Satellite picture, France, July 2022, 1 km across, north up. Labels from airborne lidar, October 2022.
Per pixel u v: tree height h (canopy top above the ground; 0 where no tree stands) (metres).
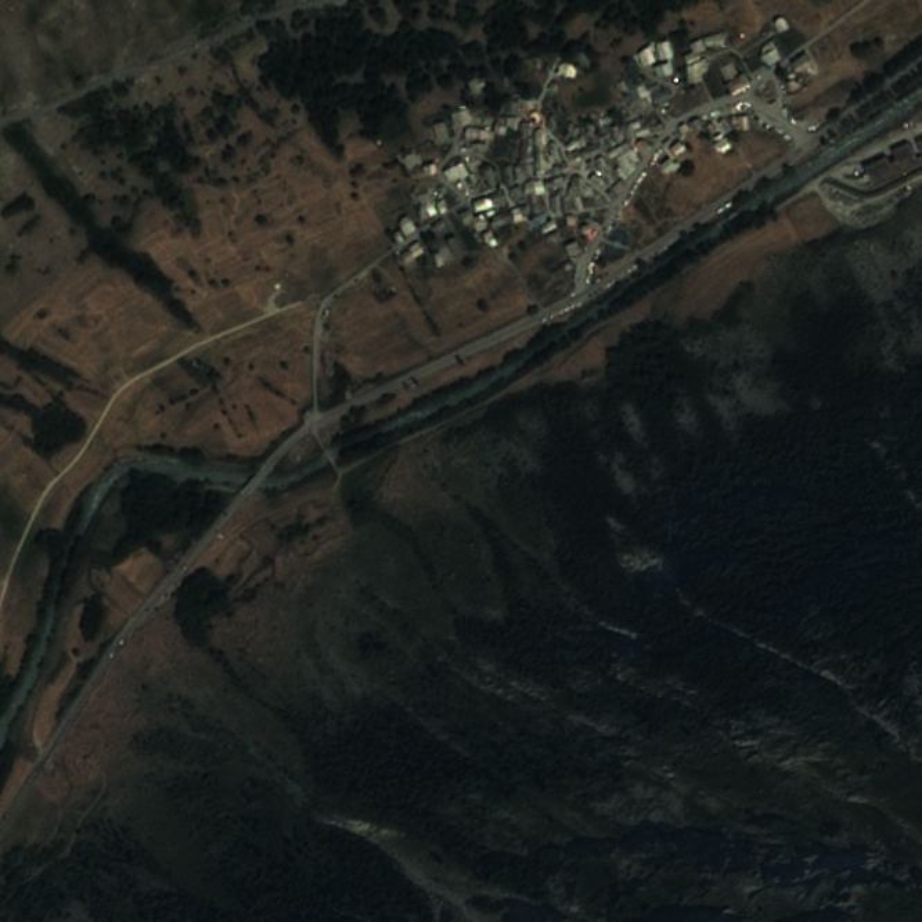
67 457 0
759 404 0
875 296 0
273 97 0
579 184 0
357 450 14
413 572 0
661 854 0
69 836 0
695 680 6
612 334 0
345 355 0
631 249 0
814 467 8
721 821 0
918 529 7
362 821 0
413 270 0
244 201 0
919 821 0
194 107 0
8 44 0
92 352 0
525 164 0
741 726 0
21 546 0
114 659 0
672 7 14
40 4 0
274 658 0
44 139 0
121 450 0
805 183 0
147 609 0
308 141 0
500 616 0
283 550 0
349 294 0
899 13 0
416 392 0
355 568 0
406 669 0
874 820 0
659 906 0
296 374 0
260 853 8
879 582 11
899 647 6
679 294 0
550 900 0
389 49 13
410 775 9
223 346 0
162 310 0
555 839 0
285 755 0
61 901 7
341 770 6
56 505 0
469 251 0
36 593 0
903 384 6
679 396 6
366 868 6
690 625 7
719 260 0
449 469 0
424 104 0
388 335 0
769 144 0
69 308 0
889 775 0
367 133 11
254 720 0
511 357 12
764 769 0
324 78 12
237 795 0
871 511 7
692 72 0
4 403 6
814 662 6
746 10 0
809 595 13
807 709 0
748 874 0
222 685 0
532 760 14
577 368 0
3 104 0
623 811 0
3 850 0
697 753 0
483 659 0
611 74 0
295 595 0
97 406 0
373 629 0
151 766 0
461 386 11
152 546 8
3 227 0
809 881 0
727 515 9
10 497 0
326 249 0
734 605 6
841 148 0
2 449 0
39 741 0
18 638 0
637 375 11
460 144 0
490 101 13
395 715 6
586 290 0
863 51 12
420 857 0
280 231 0
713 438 6
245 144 12
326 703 0
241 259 0
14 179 0
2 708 8
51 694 0
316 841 6
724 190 0
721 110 0
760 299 0
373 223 0
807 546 6
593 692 0
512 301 0
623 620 5
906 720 8
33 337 0
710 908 0
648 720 9
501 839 0
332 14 11
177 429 0
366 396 0
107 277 0
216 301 0
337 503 0
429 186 0
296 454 0
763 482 6
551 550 0
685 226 0
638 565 0
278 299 0
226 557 0
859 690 6
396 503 0
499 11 9
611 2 10
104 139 10
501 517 0
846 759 0
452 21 9
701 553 8
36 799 0
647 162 0
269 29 12
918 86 7
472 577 0
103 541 0
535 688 0
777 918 0
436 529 0
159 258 0
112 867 6
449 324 0
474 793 0
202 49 0
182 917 10
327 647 0
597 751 9
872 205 0
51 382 0
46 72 0
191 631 12
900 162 0
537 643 6
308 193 0
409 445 0
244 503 0
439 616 0
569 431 6
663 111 0
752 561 7
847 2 0
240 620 0
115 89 8
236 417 0
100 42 0
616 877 0
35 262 0
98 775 0
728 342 0
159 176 8
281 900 7
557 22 13
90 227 6
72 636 0
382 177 0
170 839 0
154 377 0
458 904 0
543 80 0
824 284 0
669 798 0
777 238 0
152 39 0
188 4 0
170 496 8
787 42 0
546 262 0
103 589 0
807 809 0
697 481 7
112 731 0
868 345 0
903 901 0
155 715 0
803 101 0
